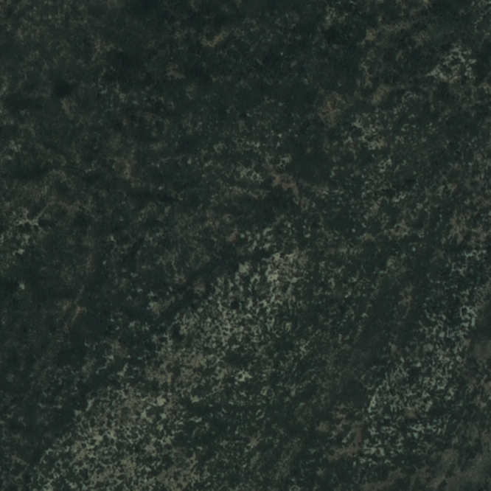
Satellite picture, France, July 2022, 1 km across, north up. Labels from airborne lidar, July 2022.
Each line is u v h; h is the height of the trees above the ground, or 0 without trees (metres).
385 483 0
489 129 0
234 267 6
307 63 0
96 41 0
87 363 0
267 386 0
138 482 0
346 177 0
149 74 6
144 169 0
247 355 0
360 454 6
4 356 0
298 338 0
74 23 0
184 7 6
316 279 0
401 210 0
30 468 0
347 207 0
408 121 0
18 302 8
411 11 0
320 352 0
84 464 0
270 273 0
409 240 0
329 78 0
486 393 0
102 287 0
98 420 0
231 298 0
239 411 0
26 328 5
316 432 0
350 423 0
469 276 5
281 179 0
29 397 0
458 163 0
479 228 0
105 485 0
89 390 0
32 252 6
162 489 0
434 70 0
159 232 0
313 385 0
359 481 0
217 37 0
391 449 0
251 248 0
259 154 0
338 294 0
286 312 0
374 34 0
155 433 0
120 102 0
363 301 0
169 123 0
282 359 0
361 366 0
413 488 0
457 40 0
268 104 0
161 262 0
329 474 0
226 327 0
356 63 0
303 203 0
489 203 0
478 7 0
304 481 0
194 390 0
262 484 0
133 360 6
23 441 0
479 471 0
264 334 0
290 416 0
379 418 0
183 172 0
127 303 0
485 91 0
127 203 0
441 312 0
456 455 0
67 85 6
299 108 0
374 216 0
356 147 0
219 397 0
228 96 0
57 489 0
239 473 0
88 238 0
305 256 0
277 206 0
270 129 0
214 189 0
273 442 6
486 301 0
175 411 0
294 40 7
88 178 6
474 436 0
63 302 0
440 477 0
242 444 0
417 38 0
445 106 0
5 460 0
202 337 0
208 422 0
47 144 6
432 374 0
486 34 0
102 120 0
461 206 0
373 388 0
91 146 7
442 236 0
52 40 0
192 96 0
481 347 0
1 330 0
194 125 0
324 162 0
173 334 5
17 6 0
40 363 0
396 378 0
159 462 0
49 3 0
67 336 6
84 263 0
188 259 0
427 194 0
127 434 0
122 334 0
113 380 6
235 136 0
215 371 0
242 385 0
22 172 5
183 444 0
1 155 0
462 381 0
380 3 0
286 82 0
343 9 6
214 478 0
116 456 0
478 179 0
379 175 0
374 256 0
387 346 0
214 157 0
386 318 0
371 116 0
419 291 0
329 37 7
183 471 0
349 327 0
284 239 0
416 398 0
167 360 0
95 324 0
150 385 0
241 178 0
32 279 7
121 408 0
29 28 0
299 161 0
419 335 0
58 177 0
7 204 0
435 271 0
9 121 0
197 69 5
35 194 0
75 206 0
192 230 0
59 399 0
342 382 0
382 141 0
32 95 0
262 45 0
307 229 0
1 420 0
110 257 0
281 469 0
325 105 0
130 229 0
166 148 0
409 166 0
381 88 0
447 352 0
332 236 0
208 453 0
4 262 0
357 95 0
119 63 6
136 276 0
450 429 0
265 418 0
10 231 0
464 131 0
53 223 6
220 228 0
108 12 0
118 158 0
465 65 0
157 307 0
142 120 5
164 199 7
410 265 0
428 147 0
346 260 0
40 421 0
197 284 0
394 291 0
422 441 0
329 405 0
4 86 0
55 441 0
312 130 0
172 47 6
